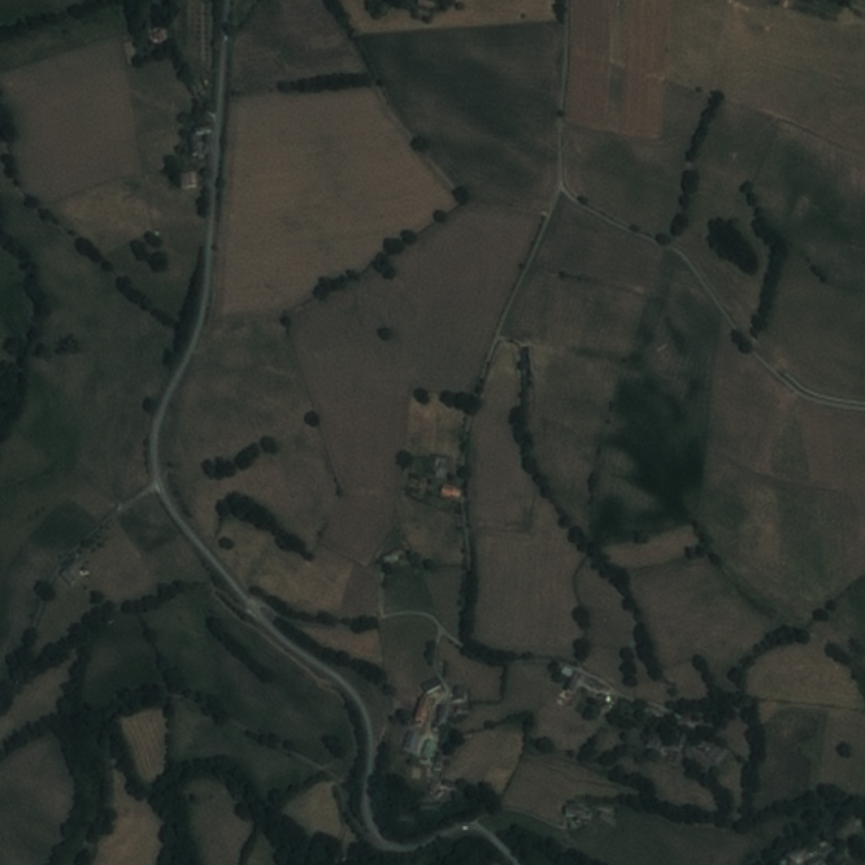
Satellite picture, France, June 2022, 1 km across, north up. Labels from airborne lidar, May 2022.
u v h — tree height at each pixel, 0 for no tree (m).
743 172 0
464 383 0
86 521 0
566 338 0
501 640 0
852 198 0
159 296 0
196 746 0
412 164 0
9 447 0
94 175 0
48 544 0
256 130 0
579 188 0
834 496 0
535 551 0
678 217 12
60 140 0
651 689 0
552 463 0
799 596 0
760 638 0
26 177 0
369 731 0
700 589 0
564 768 0
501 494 0
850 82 0
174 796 15
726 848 0
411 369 0
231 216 0
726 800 17
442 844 18
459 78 0
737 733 0
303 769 0
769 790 0
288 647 0
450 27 0
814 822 23
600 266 0
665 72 0
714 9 0
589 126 0
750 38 0
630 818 0
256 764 0
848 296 0
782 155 0
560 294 0
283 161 0
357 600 0
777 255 17
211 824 0
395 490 0
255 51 0
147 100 0
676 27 0
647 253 0
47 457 0
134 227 0
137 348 0
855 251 0
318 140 0
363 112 0
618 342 0
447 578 0
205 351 0
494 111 0
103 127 0
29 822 0
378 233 0
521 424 19
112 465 0
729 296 0
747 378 0
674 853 0
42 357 27
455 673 0
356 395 0
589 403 0
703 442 0
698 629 0
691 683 0
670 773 0
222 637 10
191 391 0
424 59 0
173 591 21
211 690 0
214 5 8
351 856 16
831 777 0
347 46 0
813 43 0
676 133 0
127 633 0
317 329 0
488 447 0
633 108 0
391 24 0
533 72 0
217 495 0
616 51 0
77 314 0
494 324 0
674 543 0
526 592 0
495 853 14
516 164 0
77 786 8
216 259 0
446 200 0
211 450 0
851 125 0
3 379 24
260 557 0
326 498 0
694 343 0
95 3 10
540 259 0
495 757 0
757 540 0
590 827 0
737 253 20
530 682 0
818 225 0
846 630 0
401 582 0
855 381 0
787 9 0
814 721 0
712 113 11
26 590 0
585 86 0
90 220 0
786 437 0
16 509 0
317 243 0
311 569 0
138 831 0
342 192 0
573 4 0
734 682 18
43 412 0
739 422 0
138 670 0
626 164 0
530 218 0
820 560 0
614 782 14
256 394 0
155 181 0
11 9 0
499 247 0
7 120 22
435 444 0
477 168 0
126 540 0
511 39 0
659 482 0
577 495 0
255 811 19
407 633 0
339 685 0
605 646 0
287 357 0
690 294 0
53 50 0
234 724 0
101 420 0
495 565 0
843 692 0
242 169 0
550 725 0
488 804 19
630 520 0
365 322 0
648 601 0
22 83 0
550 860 10
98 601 18
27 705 0
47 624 0
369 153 0
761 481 0
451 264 0
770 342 0
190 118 6
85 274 0
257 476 0
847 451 0
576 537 18
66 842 11
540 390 0
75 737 7
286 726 0
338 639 0
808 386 0
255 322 0
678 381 0
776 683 0
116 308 0
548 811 0
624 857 0
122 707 18
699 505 0
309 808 0
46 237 0
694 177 19
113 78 0
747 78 0
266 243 0
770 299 15
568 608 0
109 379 0
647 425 0
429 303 0
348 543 0
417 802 9
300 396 0
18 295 0
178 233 0
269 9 0
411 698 0
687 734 12
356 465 0
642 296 0
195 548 0
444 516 0
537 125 0
